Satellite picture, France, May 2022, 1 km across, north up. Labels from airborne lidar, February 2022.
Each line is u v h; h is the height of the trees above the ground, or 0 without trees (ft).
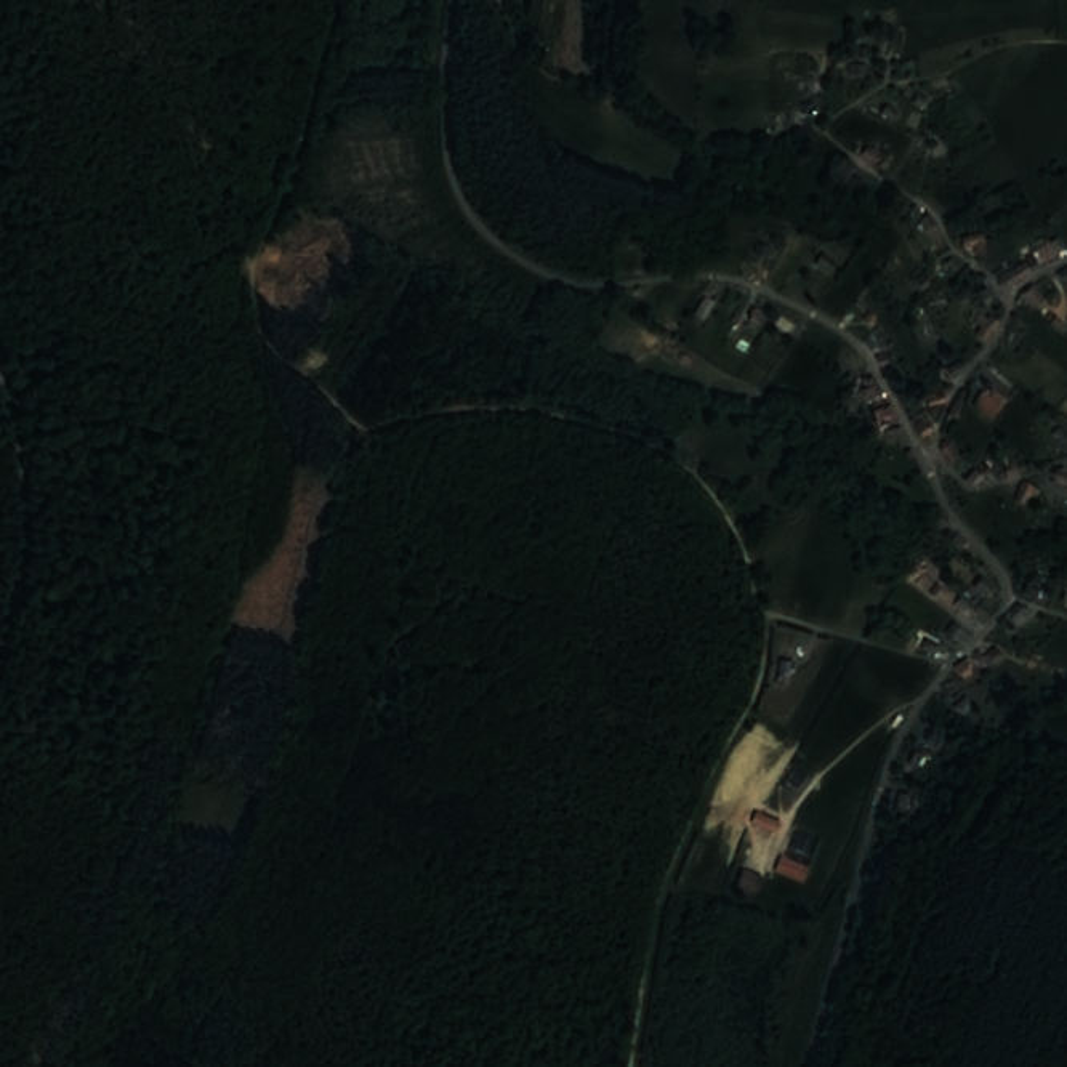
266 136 30
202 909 94
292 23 36
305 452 91
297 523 88
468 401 32
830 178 53
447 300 43
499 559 52
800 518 0
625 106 58
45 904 74
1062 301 0
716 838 0
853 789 0
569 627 49
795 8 0
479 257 0
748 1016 53
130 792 89
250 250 44
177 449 93
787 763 0
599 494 57
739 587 52
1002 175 0
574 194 69
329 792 48
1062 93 0
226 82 43
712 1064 62
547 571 54
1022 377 0
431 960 83
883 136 0
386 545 42
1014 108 0
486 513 35
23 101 99
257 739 113
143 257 75
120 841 55
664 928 0
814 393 0
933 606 0
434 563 25
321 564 64
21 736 95
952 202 0
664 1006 35
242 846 67
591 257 58
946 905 58
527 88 39
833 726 0
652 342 0
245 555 53
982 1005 50
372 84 89
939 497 0
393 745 43
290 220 59
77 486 110
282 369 86
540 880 68
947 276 0
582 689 51
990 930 71
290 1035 57
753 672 38
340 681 37
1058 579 39
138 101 58
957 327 0
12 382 83
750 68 0
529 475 37
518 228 86
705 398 60
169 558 85
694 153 47
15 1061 77
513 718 45
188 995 49
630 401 60
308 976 53
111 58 56
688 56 0
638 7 20
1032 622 0
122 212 73
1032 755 77
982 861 62
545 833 50
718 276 0
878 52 26
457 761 46
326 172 0
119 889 78
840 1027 59
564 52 76
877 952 53
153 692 52
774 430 55
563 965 73
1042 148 0
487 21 70
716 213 75
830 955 0
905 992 42
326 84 64
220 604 74
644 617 63
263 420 55
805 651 0
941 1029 31
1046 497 0
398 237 0
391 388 19
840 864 0
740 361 0
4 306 82
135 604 111
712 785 0
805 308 0
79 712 117
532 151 64
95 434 102
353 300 79
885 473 0
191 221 45
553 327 73
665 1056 41
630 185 93
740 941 62
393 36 74
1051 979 45
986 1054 51
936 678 0
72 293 79
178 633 49
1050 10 0
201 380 61
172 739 64
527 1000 79
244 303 82
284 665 110
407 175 0
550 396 50
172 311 64
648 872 59
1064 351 0
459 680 26
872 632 34
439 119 0
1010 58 0
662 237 82
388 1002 78
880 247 0
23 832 73
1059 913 53
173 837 94
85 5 55
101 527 113
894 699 0
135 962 78
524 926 83
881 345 0
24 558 94
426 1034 89
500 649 45
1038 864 73
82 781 90
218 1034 44
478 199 63
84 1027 77
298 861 54
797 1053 0
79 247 87
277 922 45
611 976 78
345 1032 65
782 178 50
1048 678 0
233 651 114
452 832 51
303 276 112
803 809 0
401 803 48
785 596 0
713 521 53
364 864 54
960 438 0
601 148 0
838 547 0
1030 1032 45
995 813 81
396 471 44
